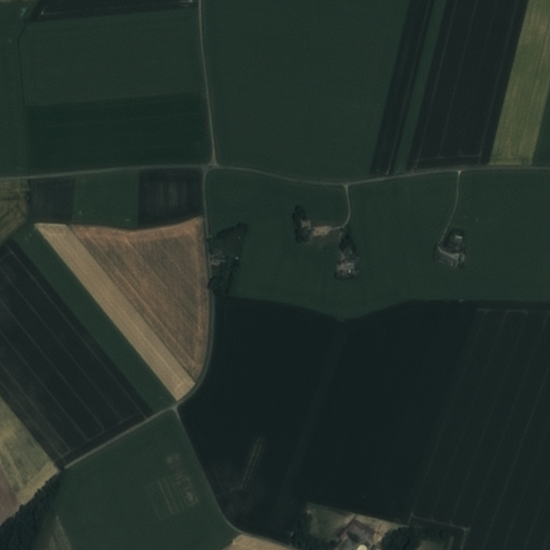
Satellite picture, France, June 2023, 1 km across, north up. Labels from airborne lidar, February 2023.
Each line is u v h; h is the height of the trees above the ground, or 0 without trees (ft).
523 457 0
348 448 0
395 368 0
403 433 0
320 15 0
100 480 0
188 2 0
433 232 0
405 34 0
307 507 0
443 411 0
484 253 0
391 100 0
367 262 0
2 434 0
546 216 0
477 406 0
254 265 0
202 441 0
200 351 0
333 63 0
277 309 0
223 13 0
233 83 0
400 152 0
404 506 0
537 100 0
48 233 0
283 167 0
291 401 0
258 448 0
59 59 0
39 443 0
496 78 0
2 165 0
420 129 0
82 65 0
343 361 0
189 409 0
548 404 0
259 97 0
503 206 0
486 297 0
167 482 0
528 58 0
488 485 0
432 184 0
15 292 0
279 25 0
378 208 0
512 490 0
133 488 0
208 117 0
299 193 0
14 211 0
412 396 0
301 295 0
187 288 0
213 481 0
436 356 0
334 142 0
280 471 0
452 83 0
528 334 0
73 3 0
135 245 0
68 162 0
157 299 0
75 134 0
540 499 0
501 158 0
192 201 0
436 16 0
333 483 0
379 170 0
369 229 0
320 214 0
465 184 0
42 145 0
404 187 0
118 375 0
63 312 0
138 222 0
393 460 0
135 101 0
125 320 0
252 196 0
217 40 0
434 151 0
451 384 0
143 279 0
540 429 0
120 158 0
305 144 0
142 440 0
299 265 0
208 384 0
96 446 0
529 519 0
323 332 0
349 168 0
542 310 0
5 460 0
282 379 0
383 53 0
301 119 0
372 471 0
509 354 0
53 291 0
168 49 0
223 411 0
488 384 0
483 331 0
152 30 0
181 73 0
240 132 0
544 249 0
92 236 0
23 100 0
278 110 0
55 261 0
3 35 0
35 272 0
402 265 0
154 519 0
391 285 0
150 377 0
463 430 0
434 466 0
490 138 0
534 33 0
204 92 0
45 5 0
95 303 0
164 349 0
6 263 0
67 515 0
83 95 0
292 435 0
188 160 0
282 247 0
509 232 0
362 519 0
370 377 0
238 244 0
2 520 0
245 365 0
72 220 0
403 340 0
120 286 0
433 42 0
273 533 0
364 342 0
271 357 0
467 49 0
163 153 0
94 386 0
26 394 0
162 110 0
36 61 0
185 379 0
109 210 0
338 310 0
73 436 0
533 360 0
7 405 0
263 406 0
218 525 0
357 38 0
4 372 0
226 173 0
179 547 0
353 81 0
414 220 0
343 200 0
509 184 0
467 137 0
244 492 0
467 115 0
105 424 0
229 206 0
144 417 0
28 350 0
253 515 0
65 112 0
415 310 0
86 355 0
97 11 0
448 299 0
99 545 0
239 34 0
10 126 0
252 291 0
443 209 0
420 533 22
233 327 0
